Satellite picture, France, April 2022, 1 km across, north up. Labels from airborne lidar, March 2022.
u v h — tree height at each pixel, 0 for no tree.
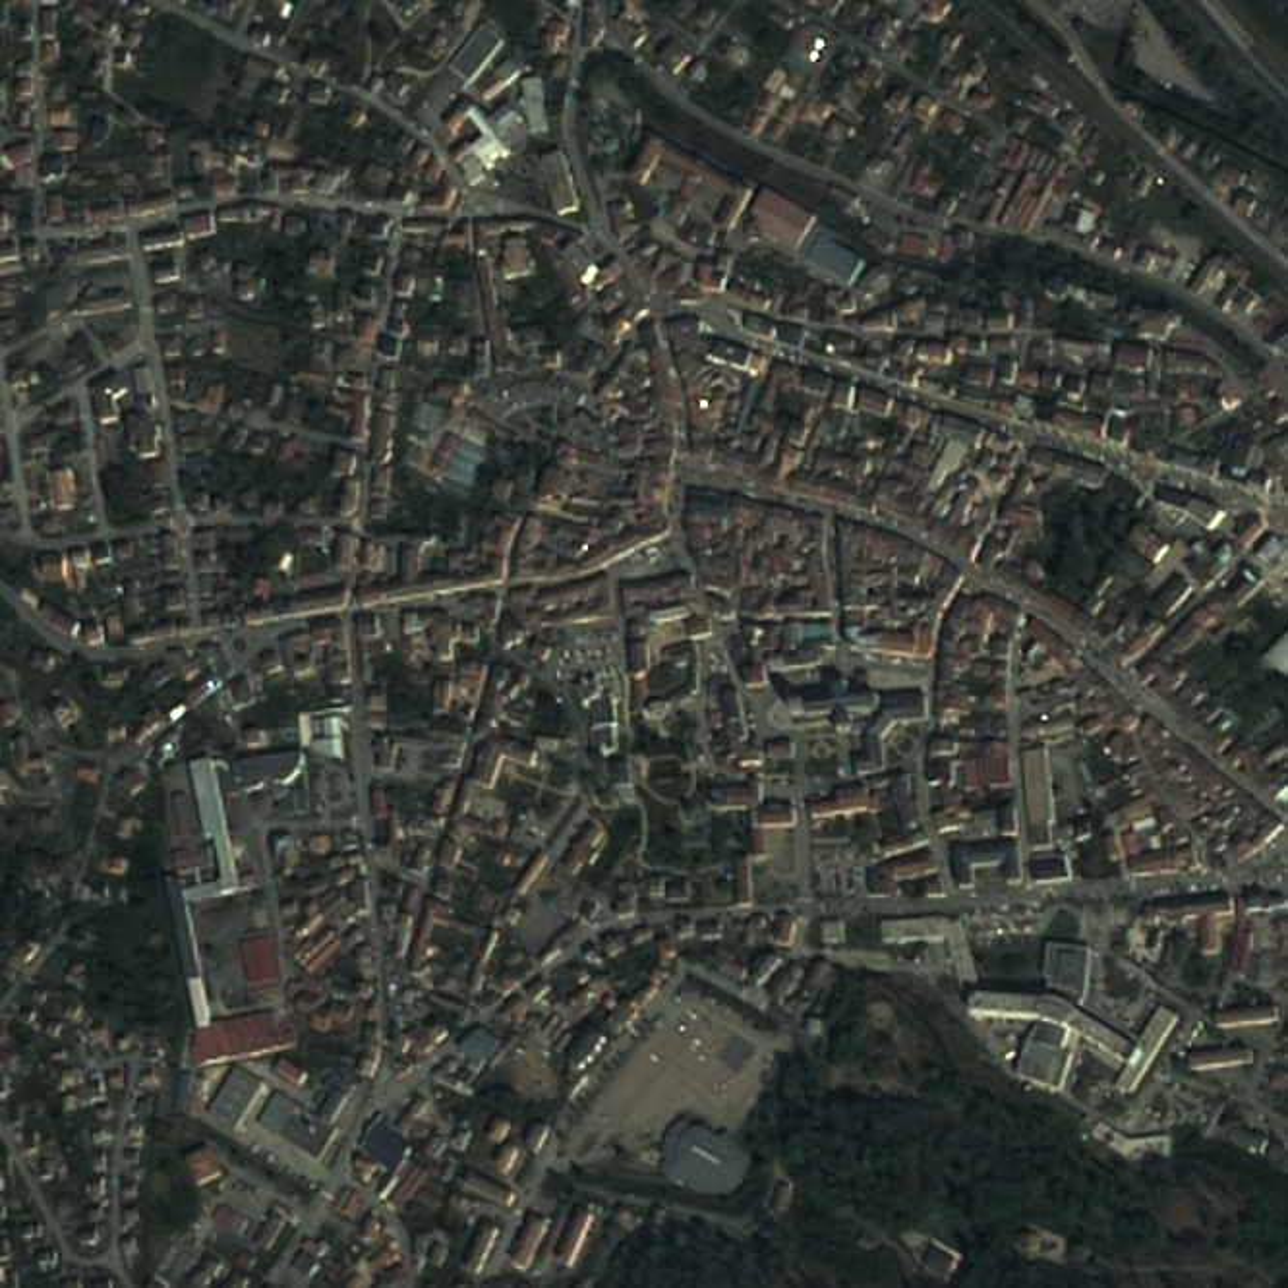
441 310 11
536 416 0
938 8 0
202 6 0
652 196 0
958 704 0
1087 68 0
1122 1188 15
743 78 7
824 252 0
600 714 0
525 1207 0
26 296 0
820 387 0
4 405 0
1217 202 0
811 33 0
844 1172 23
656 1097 0
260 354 0
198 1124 0
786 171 0
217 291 0
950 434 0
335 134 9
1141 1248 25
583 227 0
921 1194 0
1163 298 0
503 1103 14
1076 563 28
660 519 0
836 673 0
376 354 0
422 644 0
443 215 0
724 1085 0
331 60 23
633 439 0
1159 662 0
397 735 0
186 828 0
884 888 0
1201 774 0
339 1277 16
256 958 0
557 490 0
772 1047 0
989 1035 0
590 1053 0
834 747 0
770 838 0
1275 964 0
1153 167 0
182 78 0
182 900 0
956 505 0
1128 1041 0
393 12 0
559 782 0
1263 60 0
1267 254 0
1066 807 0
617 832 0
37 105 0
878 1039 0
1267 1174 6
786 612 0
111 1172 0
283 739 0
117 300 0
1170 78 0
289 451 0
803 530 0
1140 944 0
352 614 0
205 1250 0
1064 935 0
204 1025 0
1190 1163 7
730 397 0
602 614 0
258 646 0
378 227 0
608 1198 0
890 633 0
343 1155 0
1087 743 0
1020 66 11
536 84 0
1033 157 0
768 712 0
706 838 8
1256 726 0
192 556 0
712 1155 0
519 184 0
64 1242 0
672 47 0
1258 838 0
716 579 0
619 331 0
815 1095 19
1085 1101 0
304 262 6
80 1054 0
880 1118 27
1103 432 0
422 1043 0
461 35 0
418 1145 7
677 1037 0
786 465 0
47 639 0
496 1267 0
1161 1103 0
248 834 0
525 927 0
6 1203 0
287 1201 0
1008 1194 27
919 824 0
